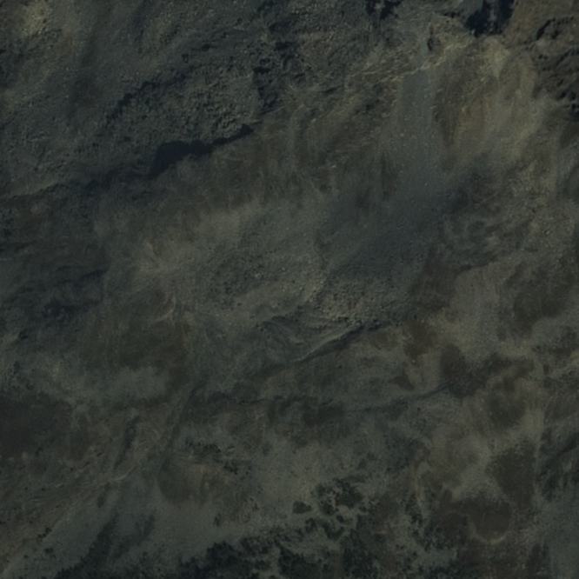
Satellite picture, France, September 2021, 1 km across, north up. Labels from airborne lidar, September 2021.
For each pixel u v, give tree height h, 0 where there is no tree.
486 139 0
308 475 0
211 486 0
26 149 0
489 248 0
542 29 0
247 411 0
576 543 0
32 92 0
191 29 0
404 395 0
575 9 0
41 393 0
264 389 0
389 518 0
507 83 0
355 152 0
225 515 0
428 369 0
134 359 0
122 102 0
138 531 0
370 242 0
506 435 0
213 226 0
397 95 0
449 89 0
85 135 0
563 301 0
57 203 0
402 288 0
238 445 0
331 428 0
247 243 0
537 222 0
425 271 0
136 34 0
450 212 0
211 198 0
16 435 0
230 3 0
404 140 0
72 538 0
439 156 0
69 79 0
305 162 0
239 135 0
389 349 0
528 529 0
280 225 0
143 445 0
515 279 0
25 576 0
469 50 0
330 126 0
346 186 0
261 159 0
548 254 0
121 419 0
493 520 0
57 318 0
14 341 0
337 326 0
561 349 0
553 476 0
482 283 0
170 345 0
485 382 0
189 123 0
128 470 0
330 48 0
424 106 0
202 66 0
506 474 0
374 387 0
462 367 0
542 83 0
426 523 0
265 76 0
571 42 0
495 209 0
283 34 0
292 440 0
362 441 0
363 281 0
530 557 0
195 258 0
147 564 0
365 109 0
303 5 0
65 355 0
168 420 0
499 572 0
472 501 0
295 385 0
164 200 0
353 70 0
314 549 0
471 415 0
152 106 0
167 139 0
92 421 0
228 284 0
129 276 0
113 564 0
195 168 0
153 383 0
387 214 0
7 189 0
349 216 0
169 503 0
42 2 0
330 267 0
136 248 0
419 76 0
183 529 0
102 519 0
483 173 0
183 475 0
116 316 0
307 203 0
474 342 0
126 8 0
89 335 0
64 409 0
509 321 0
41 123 0
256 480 0
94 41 0
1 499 0
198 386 0
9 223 0
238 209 0
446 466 0
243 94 0
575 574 0
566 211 0
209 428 0
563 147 0
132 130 0
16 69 0
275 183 0
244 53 0
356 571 6
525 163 0
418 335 0
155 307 0
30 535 0
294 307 0
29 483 0
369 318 0
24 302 0
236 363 0
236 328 0
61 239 0
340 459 0
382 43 0
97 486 0
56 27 0
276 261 0
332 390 0
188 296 0
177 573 0
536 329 0
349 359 0
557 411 0
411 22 0
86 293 0
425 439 0
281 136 0
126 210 0
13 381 0
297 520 0
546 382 0
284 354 0
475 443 0
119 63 0
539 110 0
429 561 0
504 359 0
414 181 0
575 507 0
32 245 0
